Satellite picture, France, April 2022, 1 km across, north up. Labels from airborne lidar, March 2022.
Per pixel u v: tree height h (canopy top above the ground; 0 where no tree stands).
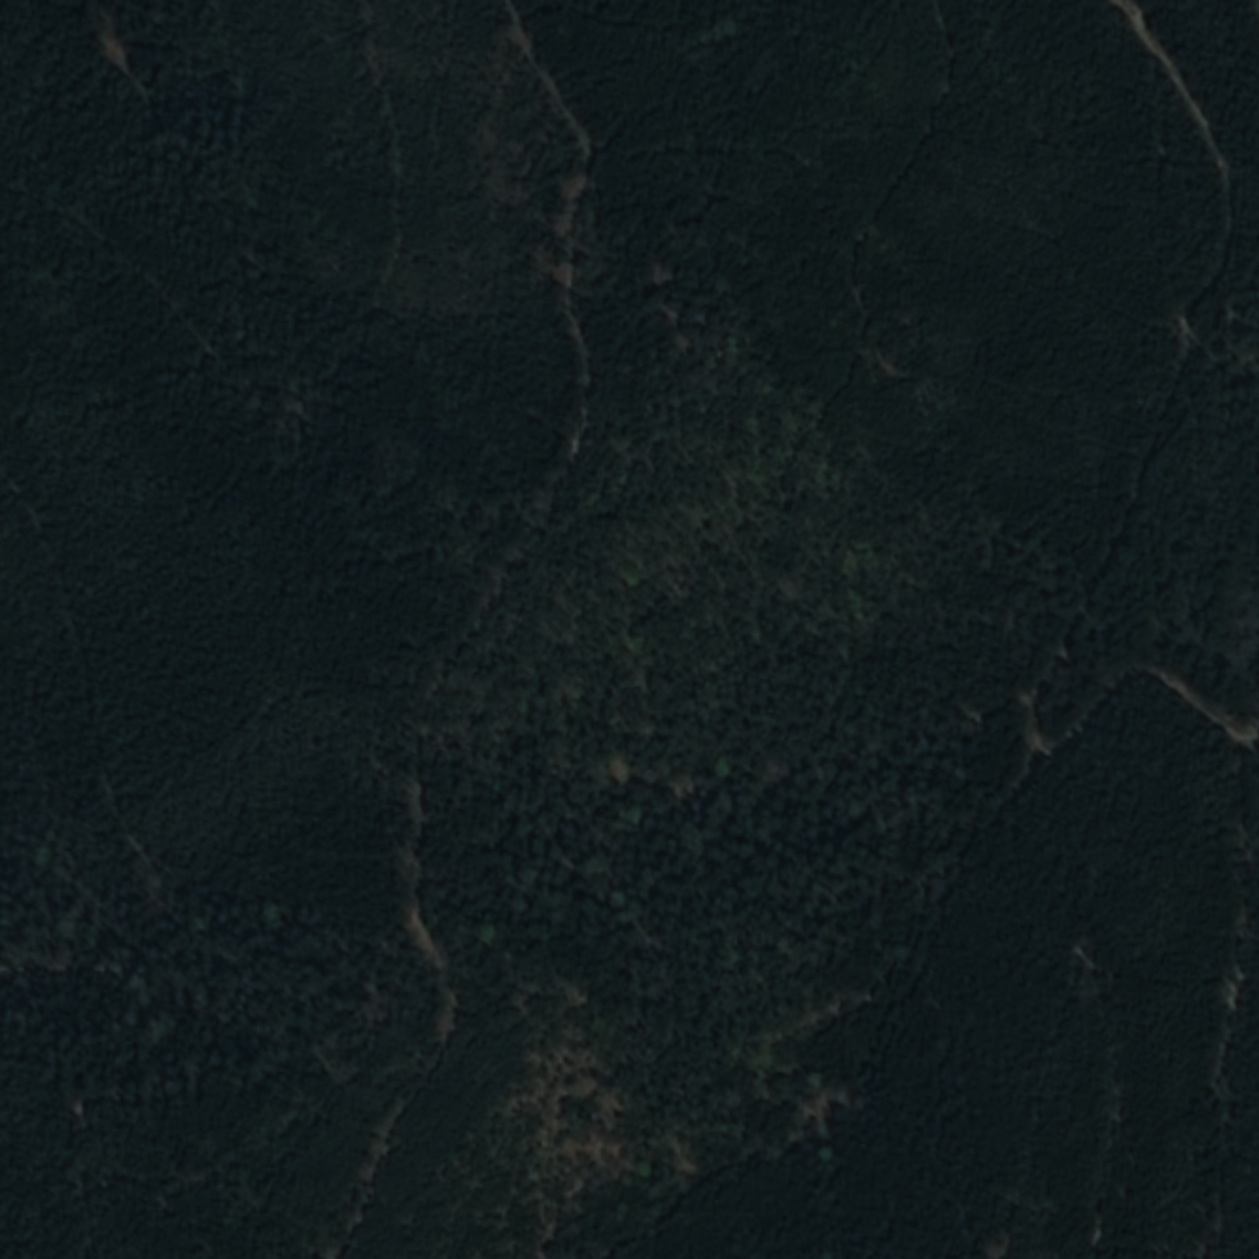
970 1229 10
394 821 17
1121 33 16
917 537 25
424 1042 10
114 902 31
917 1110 11
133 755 18
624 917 26
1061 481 18
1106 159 19
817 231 17
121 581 17
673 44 16
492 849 9
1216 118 25
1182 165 14
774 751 30
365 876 21
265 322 16
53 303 16
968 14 11
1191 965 11
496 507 16
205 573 17
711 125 17
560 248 8
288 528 12
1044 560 23
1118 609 27
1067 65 12
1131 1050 11
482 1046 9
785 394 25
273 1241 7
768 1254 15
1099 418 16
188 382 25
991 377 18
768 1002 32
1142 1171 11
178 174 19
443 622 16
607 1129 19
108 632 18
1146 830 12
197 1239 14
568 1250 14
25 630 11
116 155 17
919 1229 15
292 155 13
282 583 14
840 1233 17
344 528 15
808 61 20
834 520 23
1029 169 11
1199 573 29
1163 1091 15
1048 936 9
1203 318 23
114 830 18
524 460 15
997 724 27
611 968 8
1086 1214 12
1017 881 11
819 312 13
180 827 21
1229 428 23
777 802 30
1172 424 21
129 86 23
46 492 15
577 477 14
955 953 13
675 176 16
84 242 15
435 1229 8
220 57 12
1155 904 12
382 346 15
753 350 24
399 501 14
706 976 30
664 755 12
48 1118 11
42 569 19
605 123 14
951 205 12
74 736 16
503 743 29
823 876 33
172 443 20
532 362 9
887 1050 14
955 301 18
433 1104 12
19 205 12
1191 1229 14
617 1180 17
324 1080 8
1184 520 22
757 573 23
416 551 15
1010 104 10
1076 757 15
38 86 14
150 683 16
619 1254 12
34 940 34
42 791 23
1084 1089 11
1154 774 11
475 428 10
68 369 18
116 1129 11
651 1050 32
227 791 20
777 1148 27
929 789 33
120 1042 13
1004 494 19
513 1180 9
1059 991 13
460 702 15
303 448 11
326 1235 12
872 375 13
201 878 22
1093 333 25
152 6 16
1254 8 27
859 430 14
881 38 10
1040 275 21
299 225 9
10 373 12
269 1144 12
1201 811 22
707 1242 13
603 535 28
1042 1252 10
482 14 9
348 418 15
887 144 14
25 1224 14
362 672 16
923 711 20
